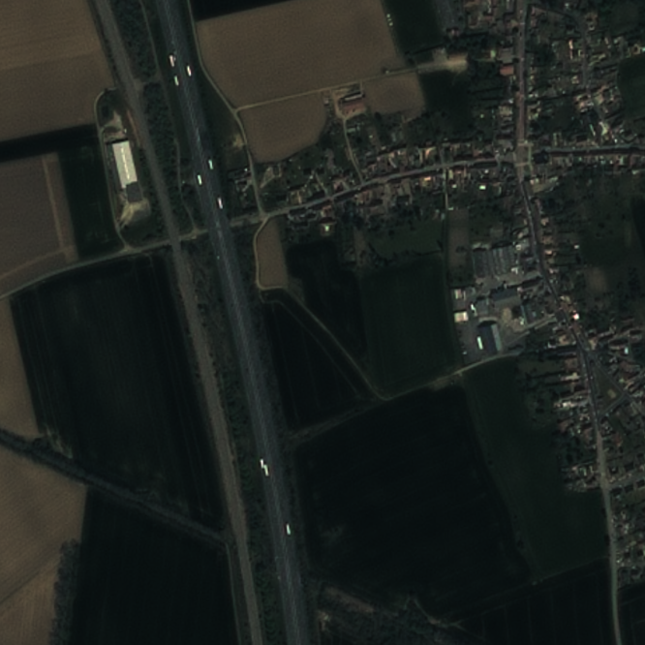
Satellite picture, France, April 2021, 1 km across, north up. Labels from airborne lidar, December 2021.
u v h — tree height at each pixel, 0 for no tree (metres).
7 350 0
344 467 0
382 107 0
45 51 0
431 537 0
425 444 0
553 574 0
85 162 0
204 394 0
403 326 0
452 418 0
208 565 0
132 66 0
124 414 0
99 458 0
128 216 0
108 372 0
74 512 0
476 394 0
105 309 0
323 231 0
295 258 0
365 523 0
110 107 0
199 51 0
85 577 0
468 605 0
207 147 0
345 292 0
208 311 23
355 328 0
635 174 0
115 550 0
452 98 0
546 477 0
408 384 0
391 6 0
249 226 13
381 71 0
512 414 0
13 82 0
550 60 6
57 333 0
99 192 0
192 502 0
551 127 5
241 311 0
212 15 0
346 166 0
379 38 0
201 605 0
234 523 0
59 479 0
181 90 0
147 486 0
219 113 0
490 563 0
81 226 0
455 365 0
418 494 0
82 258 0
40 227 0
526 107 0
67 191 0
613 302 0
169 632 0
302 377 0
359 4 0
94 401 0
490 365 0
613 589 0
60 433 0
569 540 0
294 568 0
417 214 16
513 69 0
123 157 0
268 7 0
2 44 0
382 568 0
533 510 0
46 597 0
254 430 0
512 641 0
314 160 0
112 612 0
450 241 0
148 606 0
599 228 0
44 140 0
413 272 0
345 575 0
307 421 0
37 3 0
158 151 0
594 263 0
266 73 0
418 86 0
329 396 0
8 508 0
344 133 0
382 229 7
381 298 0
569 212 8
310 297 0
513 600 0
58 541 0
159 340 0
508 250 0
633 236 0
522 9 0
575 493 0
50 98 0
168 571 0
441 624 0
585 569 0
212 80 0
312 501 0
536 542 0
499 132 0
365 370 0
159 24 0
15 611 0
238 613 0
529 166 0
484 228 0
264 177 0
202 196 0
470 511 0
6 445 16
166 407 0
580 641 0
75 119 0
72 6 0
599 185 0
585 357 0
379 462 0
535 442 0
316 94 0
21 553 0
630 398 0
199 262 21
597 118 15
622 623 0
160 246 0
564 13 0
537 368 0
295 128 0
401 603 0
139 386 0
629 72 0
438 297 0
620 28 0
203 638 0
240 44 0
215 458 0
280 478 0
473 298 0
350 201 14
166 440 0
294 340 0
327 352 0
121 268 0
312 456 0
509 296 0
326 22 0
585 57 0
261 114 0
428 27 0
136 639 0
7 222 0
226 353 18
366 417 0
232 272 0
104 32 0
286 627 0
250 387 0
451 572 0
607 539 9
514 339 0
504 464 0
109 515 0
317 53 0
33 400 0
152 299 0
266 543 14
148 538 0
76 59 0
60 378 0
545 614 0
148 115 0
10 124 0
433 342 0
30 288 0
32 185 0
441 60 0
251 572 0
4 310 0
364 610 0
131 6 13
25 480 0
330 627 0
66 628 13
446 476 0
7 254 0
